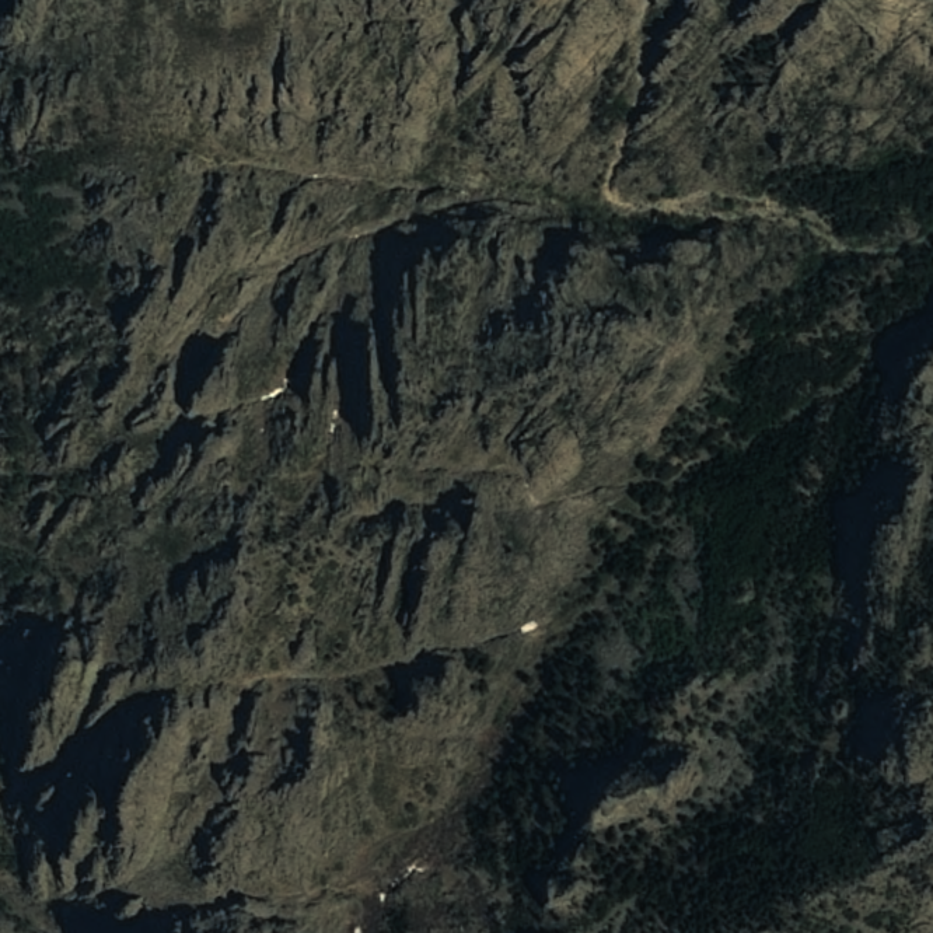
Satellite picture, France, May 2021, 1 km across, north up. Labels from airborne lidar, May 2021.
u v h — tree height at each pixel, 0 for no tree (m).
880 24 0
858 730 14
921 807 13
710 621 19
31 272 12
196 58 0
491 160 18
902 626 7
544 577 0
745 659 11
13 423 10
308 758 0
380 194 0
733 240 13
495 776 8
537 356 6
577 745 33
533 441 14
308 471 0
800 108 9
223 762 0
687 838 9
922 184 23
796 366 24
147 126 0
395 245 0
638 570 17
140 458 0
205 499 0
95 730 0
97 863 0
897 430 14
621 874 23
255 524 0
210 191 0
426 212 0
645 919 7
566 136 0
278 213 0
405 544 9
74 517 0
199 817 0
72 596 0
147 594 0
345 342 0
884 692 19
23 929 8
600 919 8
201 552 0
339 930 0
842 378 10
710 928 20
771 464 16
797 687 9
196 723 0
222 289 0
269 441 0
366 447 0
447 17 0
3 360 8
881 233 14
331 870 0
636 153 7
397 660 0
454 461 0
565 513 0
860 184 26
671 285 17
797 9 0
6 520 0
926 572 8
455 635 0
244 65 0
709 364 0
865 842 7
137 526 0
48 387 8
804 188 29
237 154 0
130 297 0
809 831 19
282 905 0
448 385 10
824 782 10
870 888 7
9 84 0
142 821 0
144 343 0
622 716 10
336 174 0
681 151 0
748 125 7
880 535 8
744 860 16
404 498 0
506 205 0
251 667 0
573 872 7
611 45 0
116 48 0
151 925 0
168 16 0
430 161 0
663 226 13
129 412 0
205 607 0
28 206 7
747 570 12
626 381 14
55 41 0
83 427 0
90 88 0
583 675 34
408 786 0
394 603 8
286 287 0
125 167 0
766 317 11
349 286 0
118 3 0
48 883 0
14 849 6
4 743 11
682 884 19
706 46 0
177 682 0
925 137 7
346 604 0
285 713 0
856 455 13
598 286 0
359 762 0
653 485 16
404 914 7
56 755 0
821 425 11
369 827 0
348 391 0
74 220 0
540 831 10
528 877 6
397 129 0
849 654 11
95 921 0
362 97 0
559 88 0
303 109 0
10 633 9
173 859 0
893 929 12
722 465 16
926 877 17
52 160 9
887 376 8
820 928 8
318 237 0
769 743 9
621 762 8
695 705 18
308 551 8
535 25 7
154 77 0
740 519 12
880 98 0
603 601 0
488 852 15
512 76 0
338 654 15
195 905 0
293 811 0
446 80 0
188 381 0
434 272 10
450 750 0
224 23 0
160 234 0
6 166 9
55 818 0
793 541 11
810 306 11
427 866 0
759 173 7
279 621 0
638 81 0
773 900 17
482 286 0
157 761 0
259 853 0
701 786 20
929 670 15
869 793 6
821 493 9
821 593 11
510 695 11
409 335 0
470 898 0
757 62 9
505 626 0
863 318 19
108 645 0
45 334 8
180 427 0
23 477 8
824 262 15
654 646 12
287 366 0
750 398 20
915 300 17
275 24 0
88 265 6
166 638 0
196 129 0
